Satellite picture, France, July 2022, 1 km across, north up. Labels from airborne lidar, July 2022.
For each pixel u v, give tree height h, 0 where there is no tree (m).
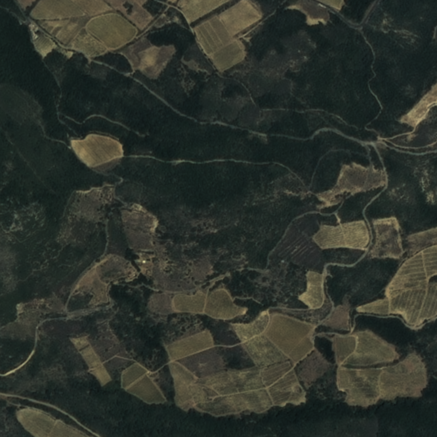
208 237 6
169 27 6
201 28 0
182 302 0
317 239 0
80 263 0
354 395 0
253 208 6
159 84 8
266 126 6
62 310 0
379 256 0
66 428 0
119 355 0
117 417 6
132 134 11
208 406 0
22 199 7
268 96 8
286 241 0
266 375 0
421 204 7
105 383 0
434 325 6
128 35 0
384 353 0
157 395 0
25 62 7
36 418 0
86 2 0
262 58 6
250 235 5
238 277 8
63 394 6
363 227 0
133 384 0
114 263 0
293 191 6
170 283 0
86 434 0
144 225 0
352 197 7
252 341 0
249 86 7
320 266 0
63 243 0
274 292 6
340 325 0
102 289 0
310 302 0
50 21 0
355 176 0
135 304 10
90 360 0
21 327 0
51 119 7
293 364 0
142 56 0
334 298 6
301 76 6
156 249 0
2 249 0
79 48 0
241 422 9
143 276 11
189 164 6
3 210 0
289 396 0
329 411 7
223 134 7
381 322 7
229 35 0
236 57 0
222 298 0
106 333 0
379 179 0
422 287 0
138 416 7
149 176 7
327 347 11
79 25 0
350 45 6
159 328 9
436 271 0
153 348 10
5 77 6
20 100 0
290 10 6
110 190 0
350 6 9
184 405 0
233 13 0
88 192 0
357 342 0
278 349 0
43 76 5
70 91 11
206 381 0
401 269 0
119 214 7
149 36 8
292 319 0
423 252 0
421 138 0
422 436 6
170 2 6
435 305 0
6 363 0
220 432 6
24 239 0
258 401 0
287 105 6
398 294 0
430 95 0
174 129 6
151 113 8
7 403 0
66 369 8
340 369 0
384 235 0
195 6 0
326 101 6
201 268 0
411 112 0
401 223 6
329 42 8
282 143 6
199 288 0
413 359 0
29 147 0
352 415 9
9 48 6
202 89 11
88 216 0
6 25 6
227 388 0
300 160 6
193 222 0
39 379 0
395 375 0
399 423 6
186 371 0
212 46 0
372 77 7
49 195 7
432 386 14
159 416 6
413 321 0
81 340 0
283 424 9
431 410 8
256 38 8
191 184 7
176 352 0
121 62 6
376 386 0
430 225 8
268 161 7
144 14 0
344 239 0
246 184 6
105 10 0
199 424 10
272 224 9
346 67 7
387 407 15
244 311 0
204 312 0
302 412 15
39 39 0
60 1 0
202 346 0
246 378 0
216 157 5
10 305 0
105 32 0
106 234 8
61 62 6
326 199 0
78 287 0
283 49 6
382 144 0
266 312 0
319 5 0
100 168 0
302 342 0
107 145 0
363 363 0
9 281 0
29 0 0
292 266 6
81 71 6
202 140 6
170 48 0
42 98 8
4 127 7
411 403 14
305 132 6
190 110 7
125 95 6
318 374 0
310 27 8
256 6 0
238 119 7
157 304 0
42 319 0
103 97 6
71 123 7
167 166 6
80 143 0
